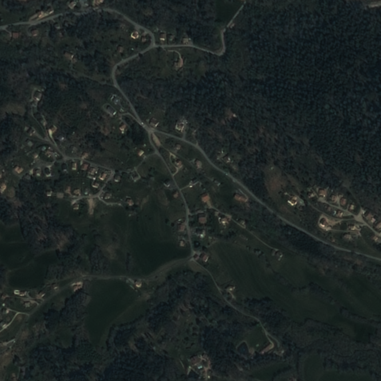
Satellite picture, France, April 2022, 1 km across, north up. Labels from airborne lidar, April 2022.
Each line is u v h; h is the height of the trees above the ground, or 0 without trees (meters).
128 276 0
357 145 28
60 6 13
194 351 0
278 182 0
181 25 15
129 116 0
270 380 0
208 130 17
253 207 26
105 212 0
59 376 17
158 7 21
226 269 0
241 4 0
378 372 8
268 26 19
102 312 0
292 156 17
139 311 0
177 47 0
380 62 7
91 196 0
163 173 0
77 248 30
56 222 18
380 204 12
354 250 0
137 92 12
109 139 8
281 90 21
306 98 15
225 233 0
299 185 0
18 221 17
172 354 0
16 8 23
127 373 33
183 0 23
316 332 24
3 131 18
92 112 6
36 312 0
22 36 0
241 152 15
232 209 13
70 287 0
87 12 0
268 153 13
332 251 24
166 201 0
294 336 12
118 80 6
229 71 10
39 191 13
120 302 0
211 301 32
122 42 13
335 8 14
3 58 7
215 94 23
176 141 0
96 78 0
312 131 18
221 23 16
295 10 15
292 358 22
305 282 0
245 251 0
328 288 0
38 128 0
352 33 28
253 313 19
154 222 0
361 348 11
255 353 0
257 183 21
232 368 26
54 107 7
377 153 25
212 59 8
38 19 0
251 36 10
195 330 15
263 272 0
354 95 25
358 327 0
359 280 0
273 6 6
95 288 0
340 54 27
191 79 6
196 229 0
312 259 18
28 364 20
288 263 0
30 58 13
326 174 12
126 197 0
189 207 7
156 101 6
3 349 0
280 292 0
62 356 29
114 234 0
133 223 0
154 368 21
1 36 9
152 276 0
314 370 0
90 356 14
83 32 15
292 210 0
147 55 6
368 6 0
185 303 23
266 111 23
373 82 9
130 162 0
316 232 13
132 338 28
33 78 20
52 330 28
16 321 0
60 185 11
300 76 27
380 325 20
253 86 10
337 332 11
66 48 8
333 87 25
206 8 27
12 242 0
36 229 27
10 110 0
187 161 0
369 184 17
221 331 22
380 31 22
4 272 21
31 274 0
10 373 0
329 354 11
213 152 16
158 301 10
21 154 0
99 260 16
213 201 0
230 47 20
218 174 0
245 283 0
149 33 0
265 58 15
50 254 0
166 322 29
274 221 23
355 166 22
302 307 0
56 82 10
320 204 10
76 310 21
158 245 0
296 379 0
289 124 21
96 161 0
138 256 0
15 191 0
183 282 30
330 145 25
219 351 28
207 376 0
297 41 21
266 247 0
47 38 0
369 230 0
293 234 20
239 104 20
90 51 27
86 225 0
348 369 7
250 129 16
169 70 0
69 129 7
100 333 0
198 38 23
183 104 12
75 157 0
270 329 22
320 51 12
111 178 0
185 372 0
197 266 0
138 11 22
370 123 23
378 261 0
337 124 20
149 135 0
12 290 0
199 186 0
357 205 6
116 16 14
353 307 0
